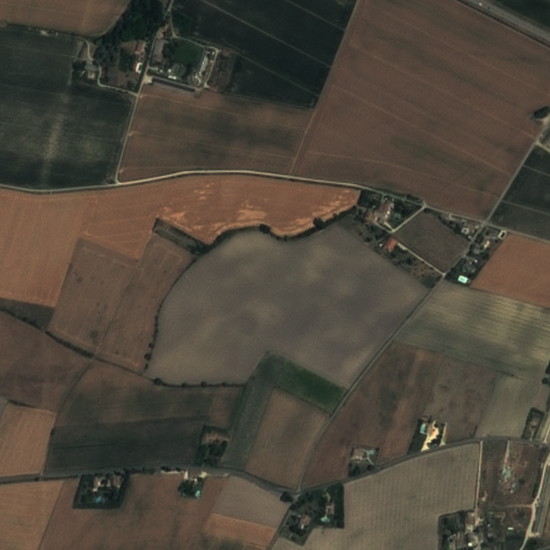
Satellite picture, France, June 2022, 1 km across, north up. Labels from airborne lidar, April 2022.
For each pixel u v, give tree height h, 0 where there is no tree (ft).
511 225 0
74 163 0
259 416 0
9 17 0
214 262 0
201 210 0
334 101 0
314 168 0
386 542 0
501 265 0
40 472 0
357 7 0
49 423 0
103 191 0
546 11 0
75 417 0
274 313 0
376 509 0
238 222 0
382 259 0
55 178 0
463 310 0
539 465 0
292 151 0
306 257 0
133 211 0
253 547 0
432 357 0
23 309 0
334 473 0
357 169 0
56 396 0
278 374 0
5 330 0
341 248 0
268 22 0
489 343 0
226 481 0
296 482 0
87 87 0
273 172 0
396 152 0
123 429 0
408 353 0
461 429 0
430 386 0
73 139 0
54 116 0
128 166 0
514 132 0
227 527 0
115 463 0
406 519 0
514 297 0
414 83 0
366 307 0
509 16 0
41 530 0
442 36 0
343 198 0
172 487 0
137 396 0
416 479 0
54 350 0
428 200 0
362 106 0
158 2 37
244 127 0
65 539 0
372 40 0
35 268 0
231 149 0
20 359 0
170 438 0
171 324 0
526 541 0
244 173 0
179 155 0
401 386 0
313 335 0
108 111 0
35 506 0
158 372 0
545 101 0
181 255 0
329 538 0
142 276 0
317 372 0
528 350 0
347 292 0
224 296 0
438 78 0
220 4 0
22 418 0
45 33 0
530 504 0
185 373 0
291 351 0
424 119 0
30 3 0
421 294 0
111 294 0
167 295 0
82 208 0
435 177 0
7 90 0
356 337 0
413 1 0
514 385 0
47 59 0
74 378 0
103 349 0
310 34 0
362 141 0
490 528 0
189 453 0
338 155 0
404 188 0
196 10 0
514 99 0
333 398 0
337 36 0
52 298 0
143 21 54
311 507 34
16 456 0
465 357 0
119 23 32
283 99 0
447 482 0
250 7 0
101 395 0
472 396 0
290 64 0
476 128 0
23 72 0
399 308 0
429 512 0
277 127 0
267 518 0
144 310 0
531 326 0
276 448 0
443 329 0
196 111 0
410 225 0
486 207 0
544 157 0
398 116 0
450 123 0
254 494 0
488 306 0
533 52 0
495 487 0
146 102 0
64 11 0
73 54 0
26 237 0
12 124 0
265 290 0
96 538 0
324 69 0
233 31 0
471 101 0
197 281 0
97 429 0
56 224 0
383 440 0
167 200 0
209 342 0
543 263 0
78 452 0
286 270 0
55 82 0
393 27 0
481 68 0
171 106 0
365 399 0
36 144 0
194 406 0
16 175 0
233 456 0
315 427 0
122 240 0
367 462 0
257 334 0
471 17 0
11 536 0
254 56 0
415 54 0
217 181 0
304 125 0
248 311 0
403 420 0
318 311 0
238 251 0
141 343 0
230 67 0
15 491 0
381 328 0
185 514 0
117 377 0
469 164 0
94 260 0
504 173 0
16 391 0
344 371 0
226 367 0
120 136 0
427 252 0
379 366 0
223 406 0
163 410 0
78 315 0
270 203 0
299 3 0
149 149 0
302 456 0
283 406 0
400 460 0
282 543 0
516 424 0
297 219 0
